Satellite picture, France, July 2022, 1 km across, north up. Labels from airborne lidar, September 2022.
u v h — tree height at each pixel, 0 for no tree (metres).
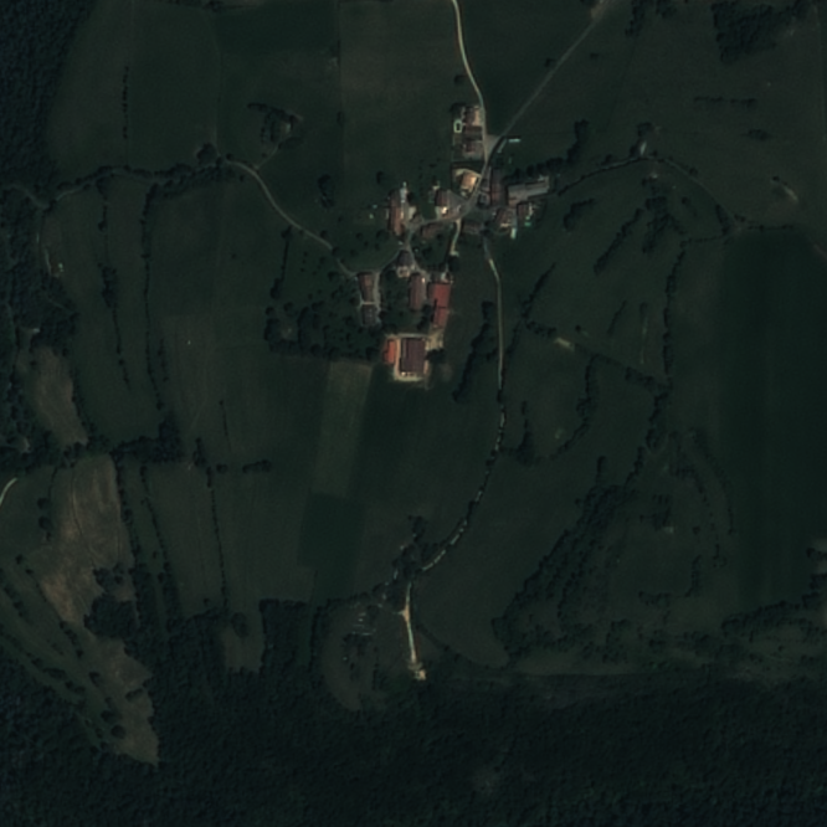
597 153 0
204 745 22
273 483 0
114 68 0
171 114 0
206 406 0
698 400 0
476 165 0
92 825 13
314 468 0
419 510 0
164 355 10
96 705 0
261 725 13
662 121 0
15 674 31
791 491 0
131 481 0
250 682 15
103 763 22
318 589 0
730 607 0
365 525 0
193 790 20
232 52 0
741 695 15
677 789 20
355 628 0
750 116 0
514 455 6
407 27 0
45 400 0
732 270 0
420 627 7
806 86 0
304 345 14
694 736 11
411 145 0
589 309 0
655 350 0
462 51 0
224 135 0
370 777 15
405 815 19
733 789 17
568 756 19
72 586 0
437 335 0
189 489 0
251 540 0
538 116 0
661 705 14
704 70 0
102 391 0
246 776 19
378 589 7
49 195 7
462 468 0
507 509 0
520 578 0
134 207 0
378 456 0
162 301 0
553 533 0
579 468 0
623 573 0
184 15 0
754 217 0
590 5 14
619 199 0
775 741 14
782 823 24
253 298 0
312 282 0
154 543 0
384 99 0
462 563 0
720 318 0
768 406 0
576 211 14
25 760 17
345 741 15
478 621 0
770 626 12
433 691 21
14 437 9
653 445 12
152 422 0
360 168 0
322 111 0
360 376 0
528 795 20
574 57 0
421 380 0
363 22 0
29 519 0
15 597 22
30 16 17
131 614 9
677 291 12
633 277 0
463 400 17
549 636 8
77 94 0
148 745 0
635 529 0
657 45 0
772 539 0
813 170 0
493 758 19
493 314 15
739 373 0
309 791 13
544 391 0
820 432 0
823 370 0
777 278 0
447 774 20
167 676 19
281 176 0
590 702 6
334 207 21
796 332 0
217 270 0
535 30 0
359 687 0
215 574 0
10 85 15
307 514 0
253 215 0
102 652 0
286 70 0
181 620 8
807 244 0
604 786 18
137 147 0
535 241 0
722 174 0
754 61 0
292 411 0
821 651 0
